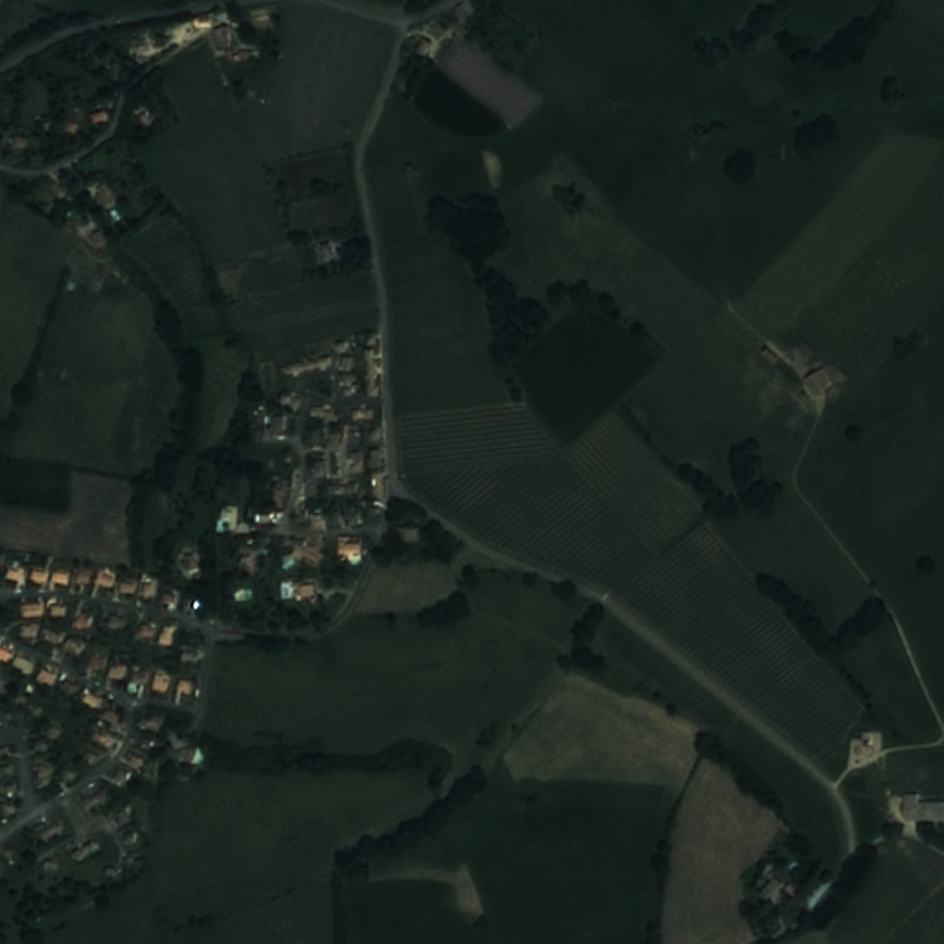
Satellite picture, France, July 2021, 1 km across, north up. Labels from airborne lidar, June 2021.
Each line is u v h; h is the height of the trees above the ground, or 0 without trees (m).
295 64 0
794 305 0
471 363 0
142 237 0
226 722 0
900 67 0
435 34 0
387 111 0
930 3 0
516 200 0
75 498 0
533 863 0
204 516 0
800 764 0
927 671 0
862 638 16
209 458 11
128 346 0
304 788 0
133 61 9
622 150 0
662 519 0
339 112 0
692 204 0
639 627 0
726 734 0
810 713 0
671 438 0
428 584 0
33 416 0
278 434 0
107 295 0
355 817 0
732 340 0
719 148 0
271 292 0
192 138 0
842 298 0
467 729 0
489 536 0
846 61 20
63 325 0
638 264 0
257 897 0
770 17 19
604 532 0
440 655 0
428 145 0
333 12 0
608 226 0
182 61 0
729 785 0
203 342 0
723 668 0
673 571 0
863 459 0
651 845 0
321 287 0
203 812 0
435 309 0
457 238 13
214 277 8
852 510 0
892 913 0
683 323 0
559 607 0
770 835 0
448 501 0
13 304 0
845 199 0
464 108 0
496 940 0
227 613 9
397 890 0
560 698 0
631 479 0
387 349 0
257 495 6
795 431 0
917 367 0
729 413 0
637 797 0
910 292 0
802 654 0
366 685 0
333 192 10
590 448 0
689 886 0
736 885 0
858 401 0
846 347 0
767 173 0
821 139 21
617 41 0
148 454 0
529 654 0
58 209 14
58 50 7
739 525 0
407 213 0
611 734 0
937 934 0
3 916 0
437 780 8
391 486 0
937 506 0
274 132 0
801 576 0
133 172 10
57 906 11
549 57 0
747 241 0
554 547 0
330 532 0
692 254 0
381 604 0
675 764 0
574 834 0
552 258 0
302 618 14
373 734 0
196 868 0
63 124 12
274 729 0
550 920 0
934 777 0
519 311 21
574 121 0
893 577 0
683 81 0
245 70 0
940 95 0
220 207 0
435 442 0
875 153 0
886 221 0
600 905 0
